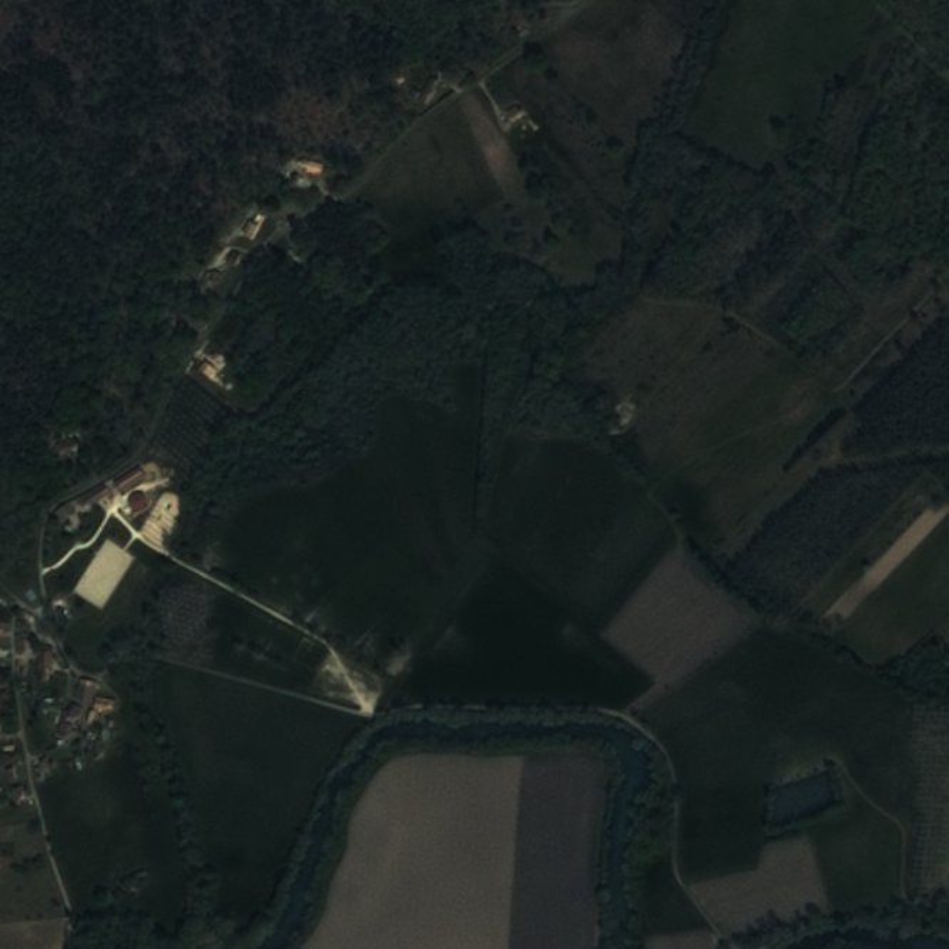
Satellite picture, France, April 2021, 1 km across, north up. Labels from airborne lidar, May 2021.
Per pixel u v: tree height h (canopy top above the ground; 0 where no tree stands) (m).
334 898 0
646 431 0
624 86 0
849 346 6
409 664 0
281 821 0
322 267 22
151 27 25
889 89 13
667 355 0
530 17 14
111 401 7
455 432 0
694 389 0
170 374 17
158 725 18
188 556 11
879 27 0
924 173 16
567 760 0
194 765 0
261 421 9
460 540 0
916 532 0
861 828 0
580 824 0
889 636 0
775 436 0
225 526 0
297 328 24
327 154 15
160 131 17
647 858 13
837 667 0
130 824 0
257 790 0
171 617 22
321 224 16
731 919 0
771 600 15
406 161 0
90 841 0
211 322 12
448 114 0
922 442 14
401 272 0
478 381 0
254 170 15
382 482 0
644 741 17
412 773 0
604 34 0
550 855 0
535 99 0
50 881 0
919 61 11
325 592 0
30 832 9
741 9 0
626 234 8
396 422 0
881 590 0
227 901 0
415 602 0
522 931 0
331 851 12
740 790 0
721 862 0
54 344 15
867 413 15
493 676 0
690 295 14
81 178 7
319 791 8
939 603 0
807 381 0
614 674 0
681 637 0
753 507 0
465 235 22
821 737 0
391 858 0
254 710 0
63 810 0
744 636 0
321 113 8
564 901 0
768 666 0
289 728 0
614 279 18
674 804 9
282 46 19
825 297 21
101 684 0
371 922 0
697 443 0
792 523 14
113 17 24
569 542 0
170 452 17
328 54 16
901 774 0
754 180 16
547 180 7
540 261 17
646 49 0
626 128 0
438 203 0
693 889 0
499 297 24
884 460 0
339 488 0
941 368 13
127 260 7
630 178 9
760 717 0
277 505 0
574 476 0
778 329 6
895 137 22
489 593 0
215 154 15
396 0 19
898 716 0
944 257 13
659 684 0
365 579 0
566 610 0
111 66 11
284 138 25
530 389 15
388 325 18
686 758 0
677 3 0
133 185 9
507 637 0
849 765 0
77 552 0
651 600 0
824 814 14
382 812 0
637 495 0
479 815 0
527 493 0
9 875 0
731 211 10
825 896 0
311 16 29
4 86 11
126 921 10
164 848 0
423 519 0
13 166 10
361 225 18
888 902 0
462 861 0
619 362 0
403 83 0
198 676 0
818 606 0
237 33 14
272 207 17
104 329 20
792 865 0
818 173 6
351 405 9
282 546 0
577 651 0
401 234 0
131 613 0
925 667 10
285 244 0
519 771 0
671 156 19
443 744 11
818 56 0
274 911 12
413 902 0
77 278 15
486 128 0
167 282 15
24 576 0
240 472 7
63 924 0
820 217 18
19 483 16
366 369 10
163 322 13
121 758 0
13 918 0
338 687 0
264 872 0
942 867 27
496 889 0
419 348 15
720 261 24
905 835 0
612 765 11
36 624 0
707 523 0
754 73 0
